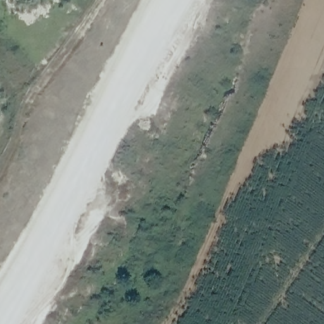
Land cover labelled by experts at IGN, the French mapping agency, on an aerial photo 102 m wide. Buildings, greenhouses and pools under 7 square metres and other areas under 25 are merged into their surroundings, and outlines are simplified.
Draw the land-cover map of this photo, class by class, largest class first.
<instances>
[{"label":"herbaceous vegetation","instance_id":"1","mask_svg":"<svg viewBox=\"0 0 324 324\"><path fill-rule=\"evenodd\" d=\"M140 0H70V3L63 5L62 8H59L57 3L52 8L49 4H44L30 10L28 5L16 4V0H0V268L20 234L27 228L44 189L51 182L54 170L66 152L68 142L75 134L77 125L84 119L87 106L91 105L89 91L99 82L106 61L113 56L130 18L138 9ZM242 3L240 0H213L206 16L205 27H197L192 35L190 48L181 59L180 65L176 66L159 101L157 114L135 120L116 148L108 170L105 171V194L110 196L109 206L113 210L106 211L99 228L90 238L80 263L73 268L66 285L54 297L56 310L51 311L42 324H71V318L77 314L78 308L91 305L90 295L100 291L95 285H89L86 289H76L78 281L84 278L87 266L99 265V259L95 258L97 246H108L110 238L123 240L127 224L124 215L133 213V209L137 210L144 204L142 199L149 190L148 180L153 171L157 172L149 151L156 146L153 138H159V132L167 133L172 111L177 109L178 100L173 97V92L180 78L178 72L182 75L189 73L202 53L210 54L213 51L215 44L209 38L211 28L220 29L221 23H228L233 11H237L235 8ZM304 0H268L266 5L254 8L247 33L240 34V47L244 54L251 56V61L235 73V80H232L233 94L221 97L219 105L205 109V114L209 116V129L202 137L197 152L190 157V172L192 175H199L202 159L206 158L210 148L221 149V143L227 142L230 133L237 130L238 120L247 119L248 115L254 120L262 101L253 95L252 87L248 86L247 80L262 67L270 68L273 72L290 38L291 30L295 28L299 19Z\"/></svg>","mask_w":324,"mask_h":324},{"label":"brushwood","instance_id":"2","mask_svg":"<svg viewBox=\"0 0 324 324\"><path fill-rule=\"evenodd\" d=\"M57 3L59 8H62L63 5L70 3V0H16V4L28 5L30 10L44 4H49L52 8ZM242 3L235 8L237 11H233L228 23H221L220 29L211 28L209 38L215 44L213 51L210 54L202 53L189 73L182 75L178 72L180 78L173 92V97L178 100L177 109L172 111L167 133L159 132V138H153L156 146L149 151L157 172L153 171L148 180L149 190L142 199L144 204L137 210L133 209V213L124 215L127 224L123 240L110 238L108 246H97L95 258L99 259V265L87 266L84 278L78 281L76 289H86L89 285H95L100 291L90 295L91 305L78 308L77 314L71 318V324H161L163 319H167L172 306H175L176 297L184 289L191 268L195 265L197 253L209 232L210 224L215 221L216 208L220 205L230 176L237 166L239 153L254 120L248 115L247 119L238 120L237 130L230 133L227 142L221 143V149L210 148L206 158L202 159L199 175H192L190 172V157L197 152L202 137L209 129V116L205 114V109L219 105L221 97L233 94L232 80H235V73L251 61V56L244 54L240 47V34L247 33L254 8L266 5L268 0H240ZM153 268L162 273L161 286L156 290L149 289L143 278V273ZM273 72L270 68L262 67L247 80L248 86L252 87L253 95L262 101L265 99Z\"/></svg>","mask_w":324,"mask_h":324},{"label":"pervious surface","instance_id":"3","mask_svg":"<svg viewBox=\"0 0 324 324\"><path fill-rule=\"evenodd\" d=\"M213 0H140L138 9L130 18L113 56L106 61L99 82L89 91L91 105L87 106L84 119L77 125L75 134L68 142L66 152L54 170L51 182L44 189L27 228L20 234L0 268V324H42L51 311L56 310L54 297L66 285L73 268L80 263L90 238L99 228L106 211L113 210L109 206L110 196L105 194V171L108 170L116 148L135 120L157 114L159 101L176 66L180 65L181 59L190 48L192 35L197 27H205L206 16Z\"/></svg>","mask_w":324,"mask_h":324},{"label":"agricultural land","instance_id":"4","mask_svg":"<svg viewBox=\"0 0 324 324\"><path fill-rule=\"evenodd\" d=\"M305 118L292 119L290 128L286 129L291 143L273 144L270 149L254 157L252 171L238 187L234 199L228 197L225 200L223 208L219 210L220 214L225 216V223L221 224L216 232L218 242L210 243L209 251L206 252L210 259H202V268L197 273L195 281V291L186 297L185 305H182L184 313L177 319H172V324H324V73L319 85L314 89V97L302 101Z\"/></svg>","mask_w":324,"mask_h":324},{"label":"plowed land","instance_id":"5","mask_svg":"<svg viewBox=\"0 0 324 324\"><path fill-rule=\"evenodd\" d=\"M324 73V0H304L299 19L295 28L291 30L290 38L273 72L265 99L262 101L254 120L239 153L237 166L230 176L220 205L216 208L215 221L210 224L209 232L197 253L195 265L191 268L184 289L176 297L175 306H172L167 319H163L161 324H172V319H177L184 313L182 305H185L186 297L195 291V281L197 273L202 268V259H210L206 252L209 251L210 243L218 242L216 232L221 224L225 223V216L220 214L219 210L223 208L225 200L228 197L234 199L238 187L252 171L254 157L270 149L273 144L291 143L286 129L290 128L292 119L305 118L302 101L314 97V89L319 85Z\"/></svg>","mask_w":324,"mask_h":324},{"label":"deciduous trees","instance_id":"6","mask_svg":"<svg viewBox=\"0 0 324 324\"><path fill-rule=\"evenodd\" d=\"M143 278L149 289L156 290L161 286L162 273L153 268L143 273Z\"/></svg>","mask_w":324,"mask_h":324}]
</instances>
